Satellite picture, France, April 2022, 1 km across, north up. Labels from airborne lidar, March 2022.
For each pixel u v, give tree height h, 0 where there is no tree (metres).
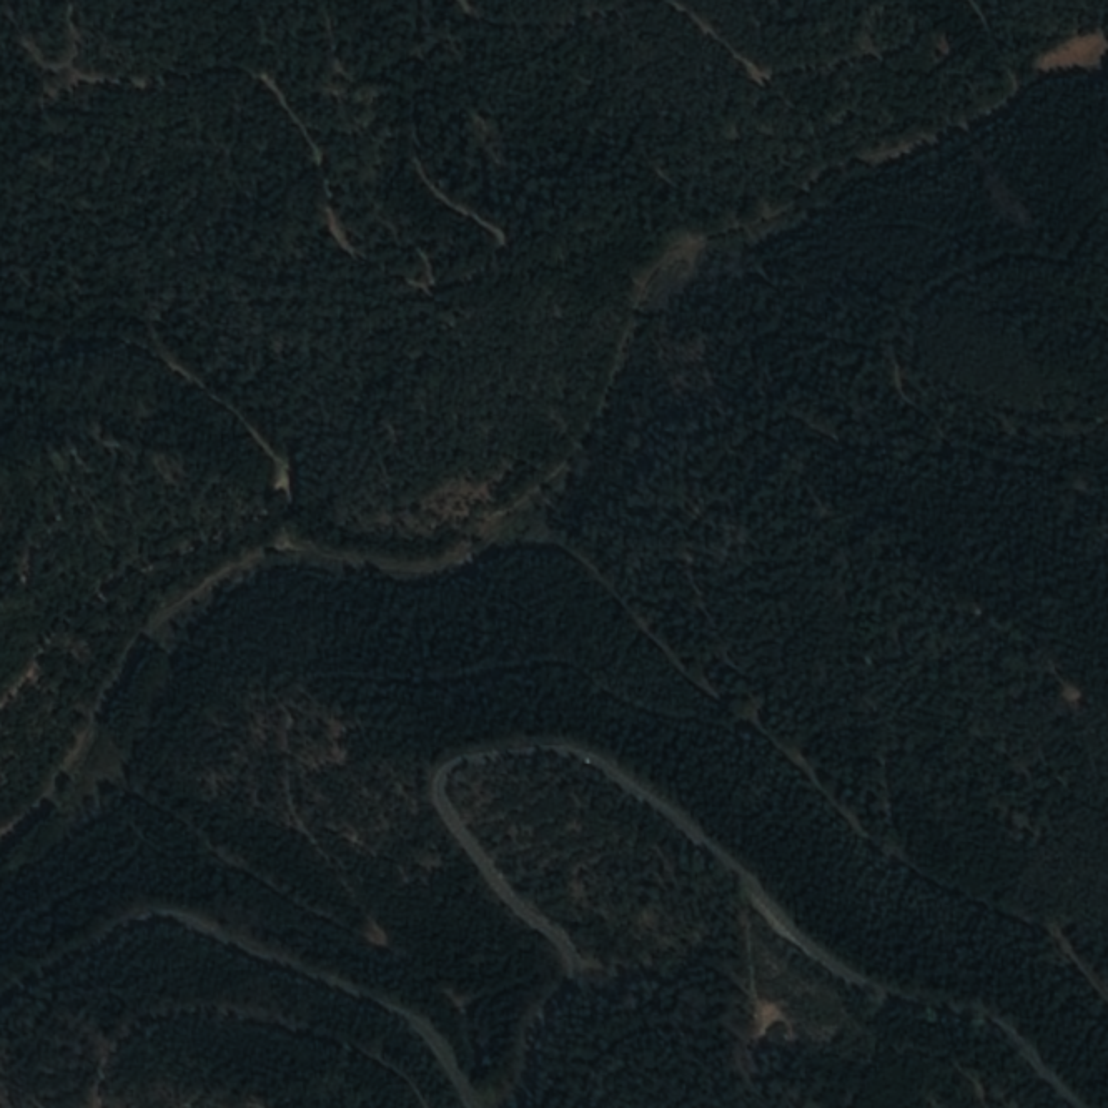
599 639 23
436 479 15
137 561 9
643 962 8
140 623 30
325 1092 14
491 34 27
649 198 36
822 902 25
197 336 37
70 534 9
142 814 18
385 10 23
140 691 32
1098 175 18
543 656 20
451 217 15
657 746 30
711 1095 26
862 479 23
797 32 27
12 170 25
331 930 18
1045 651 20
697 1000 32
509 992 8
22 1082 6
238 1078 17
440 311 22
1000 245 19
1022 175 20
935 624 17
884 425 26
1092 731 20
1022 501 26
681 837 12
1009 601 21
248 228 25
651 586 29
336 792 9
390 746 14
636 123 11
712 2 23
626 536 25
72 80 18
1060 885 23
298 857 10
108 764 0
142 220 16
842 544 10
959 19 19
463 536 12
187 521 14
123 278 14
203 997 13
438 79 30
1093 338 23
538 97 28
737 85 27
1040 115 15
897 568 23
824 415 25
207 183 22
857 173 28
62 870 16
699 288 11
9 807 26
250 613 17
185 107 23
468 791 8
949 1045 14
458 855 20
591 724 20
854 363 26
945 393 22
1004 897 19
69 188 26
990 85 28
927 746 16
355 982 19
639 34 24
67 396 18
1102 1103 37
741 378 8
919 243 15
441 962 16
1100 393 23
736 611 20
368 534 33
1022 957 24
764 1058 23
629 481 7
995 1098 16
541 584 21
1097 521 25
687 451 24
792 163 22
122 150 30
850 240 14
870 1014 11
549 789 8
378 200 16
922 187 21
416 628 16
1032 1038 30
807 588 19
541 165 24
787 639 18
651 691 20
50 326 28
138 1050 8
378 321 31
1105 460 13
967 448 16
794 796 27
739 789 25
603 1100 24
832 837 35
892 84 23
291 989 17
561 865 8
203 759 11
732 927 16
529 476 20
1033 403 13
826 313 7
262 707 8
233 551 30
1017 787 17
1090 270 19
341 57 8
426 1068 22
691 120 22
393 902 13
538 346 25
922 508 22
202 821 15
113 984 12
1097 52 0
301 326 31
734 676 21
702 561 13
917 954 26
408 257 17
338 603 19
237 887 20
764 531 19
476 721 23
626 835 9
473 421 21
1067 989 28
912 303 19
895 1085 9
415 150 15
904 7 9
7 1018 19
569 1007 18
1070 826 16
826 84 26
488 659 15
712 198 27
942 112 25
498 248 25
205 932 0
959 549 20
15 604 34
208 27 23
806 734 36
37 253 28
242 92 27
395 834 6
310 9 16
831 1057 8
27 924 24
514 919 17
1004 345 18
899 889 31
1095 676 22
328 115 20
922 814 18
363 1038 18
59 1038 8
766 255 14
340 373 23
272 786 6
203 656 11
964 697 14
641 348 11
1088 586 26
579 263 17
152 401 11
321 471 28
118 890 12
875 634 19
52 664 18
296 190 26
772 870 26
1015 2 33
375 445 28
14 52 23
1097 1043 24
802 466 28
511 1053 20
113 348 14
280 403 32
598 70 24
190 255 29
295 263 17
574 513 11
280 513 30
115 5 29
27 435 14
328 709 15
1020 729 15
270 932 16
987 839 13
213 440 18
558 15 21
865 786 27
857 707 24
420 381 28
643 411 9
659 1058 24
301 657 16
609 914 27
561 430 20
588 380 22
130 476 27
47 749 18
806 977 10
